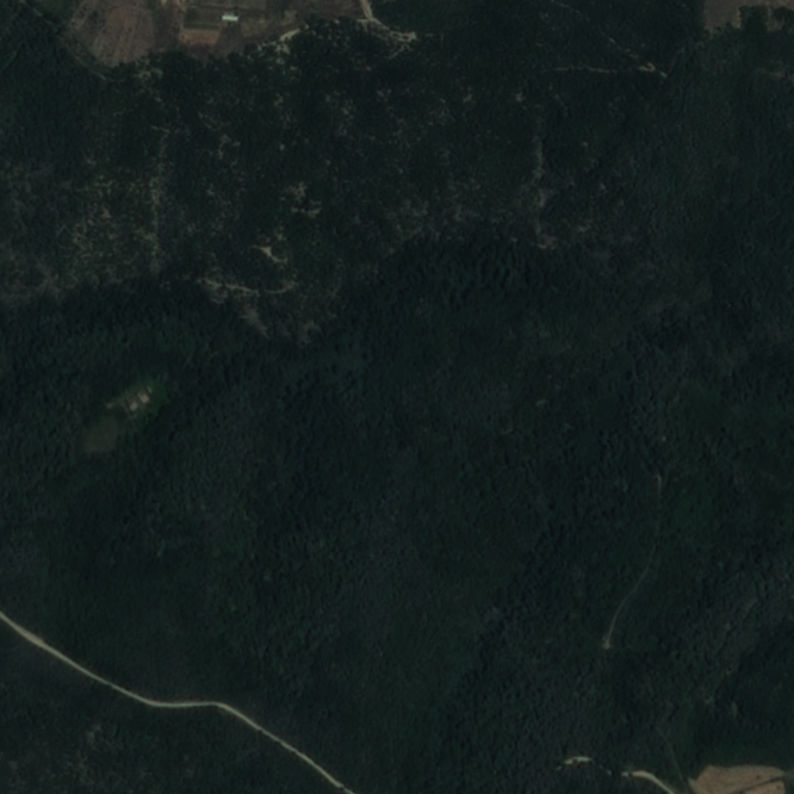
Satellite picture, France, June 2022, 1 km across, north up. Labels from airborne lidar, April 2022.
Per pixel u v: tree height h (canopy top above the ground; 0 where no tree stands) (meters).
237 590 13
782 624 13
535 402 20
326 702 12
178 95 8
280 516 12
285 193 10
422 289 18
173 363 17
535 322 18
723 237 10
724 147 10
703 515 12
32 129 8
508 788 11
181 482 12
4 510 15
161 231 6
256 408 14
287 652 15
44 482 15
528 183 10
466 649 6
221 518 16
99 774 8
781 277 9
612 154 13
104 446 0
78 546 13
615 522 12
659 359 16
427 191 10
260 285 11
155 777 7
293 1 0
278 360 11
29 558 11
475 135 10
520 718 10
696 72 7
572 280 14
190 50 0
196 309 13
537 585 10
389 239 6
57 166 7
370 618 10
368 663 7
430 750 13
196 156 8
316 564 12
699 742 7
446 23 9
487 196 8
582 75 9
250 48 8
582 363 10
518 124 9
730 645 11
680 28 12
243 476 13
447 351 19
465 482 12
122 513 11
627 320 8
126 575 10
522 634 11
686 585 11
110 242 7
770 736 8
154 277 7
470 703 13
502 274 18
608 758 13
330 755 7
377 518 13
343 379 6
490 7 12
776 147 13
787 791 0
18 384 14
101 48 0
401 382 14
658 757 6
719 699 13
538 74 9
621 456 5
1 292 8
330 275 10
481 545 15
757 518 8
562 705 12
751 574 12
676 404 14
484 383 16
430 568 13
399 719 7
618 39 9
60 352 16
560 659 11
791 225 10
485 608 7
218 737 8
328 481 15
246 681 6
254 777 11
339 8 0
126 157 8
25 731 7
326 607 13
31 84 7
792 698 13
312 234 13
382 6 6
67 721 11
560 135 12
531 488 15
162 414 13
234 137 9
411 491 6
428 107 8
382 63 8
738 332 10
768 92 8
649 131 10
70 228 7
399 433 11
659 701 11
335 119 8
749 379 13
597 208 8
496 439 19
